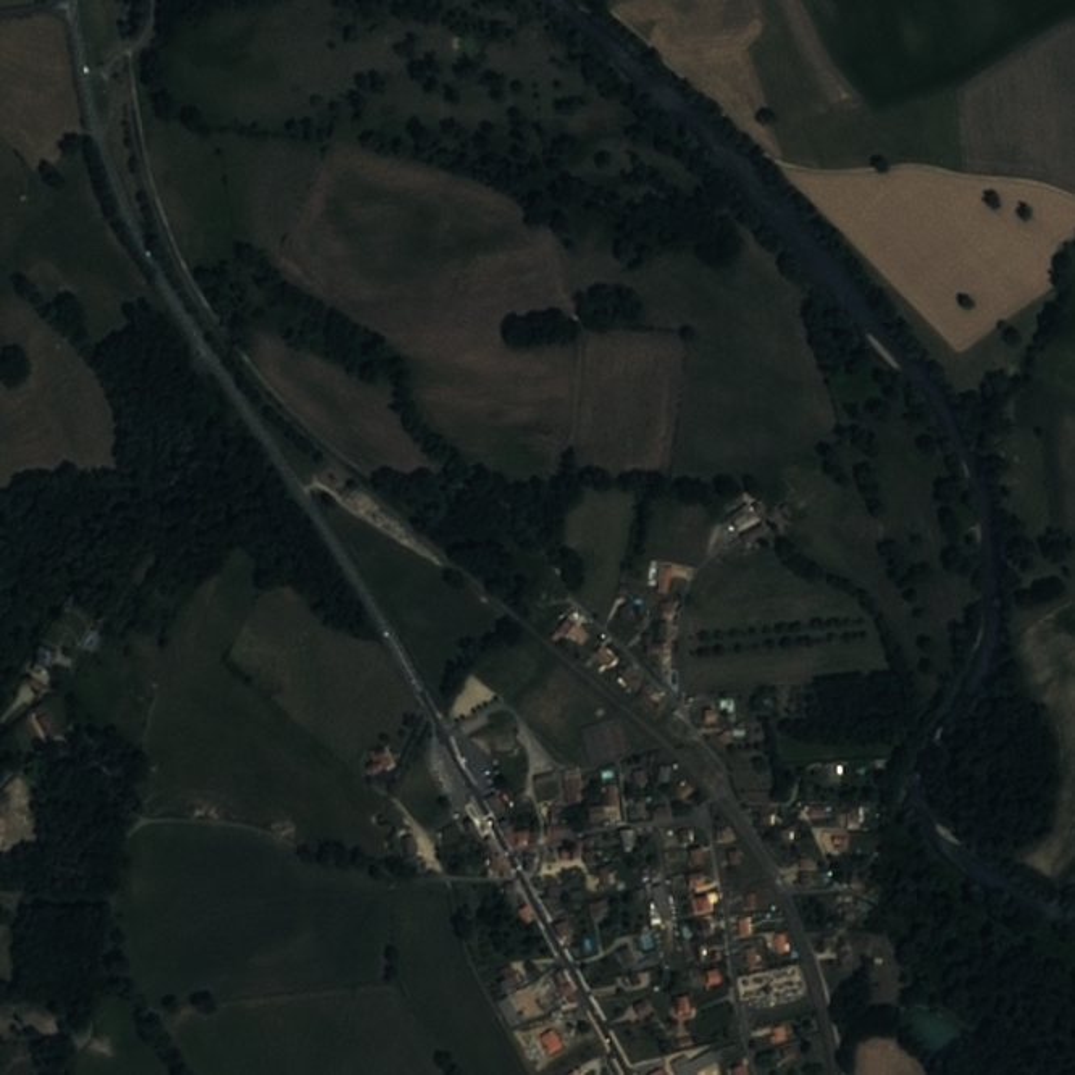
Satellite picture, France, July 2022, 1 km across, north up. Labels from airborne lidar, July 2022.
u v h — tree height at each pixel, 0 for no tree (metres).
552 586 0
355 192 0
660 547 0
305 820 0
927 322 0
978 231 0
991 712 23
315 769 0
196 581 14
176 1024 0
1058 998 19
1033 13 0
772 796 9
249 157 0
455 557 20
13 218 0
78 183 0
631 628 0
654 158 0
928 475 0
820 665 0
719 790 0
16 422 0
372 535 0
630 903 13
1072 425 0
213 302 26
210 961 0
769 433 0
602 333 10
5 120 0
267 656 0
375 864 7
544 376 0
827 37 0
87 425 0
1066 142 0
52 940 23
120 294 0
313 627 0
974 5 0
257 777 0
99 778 18
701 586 0
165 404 20
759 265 0
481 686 0
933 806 25
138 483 26
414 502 12
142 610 14
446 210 0
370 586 0
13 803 0
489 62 0
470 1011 0
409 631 0
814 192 0
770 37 0
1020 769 18
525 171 17
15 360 18
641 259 14
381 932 0
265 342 0
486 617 0
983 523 0
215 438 28
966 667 17
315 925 0
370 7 15
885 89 0
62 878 16
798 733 8
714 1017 0
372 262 0
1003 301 0
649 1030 5
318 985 0
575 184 23
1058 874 0
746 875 0
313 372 0
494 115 0
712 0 0
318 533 26
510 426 0
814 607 0
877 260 0
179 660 0
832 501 0
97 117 0
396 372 10
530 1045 0
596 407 0
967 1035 12
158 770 0
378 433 0
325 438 0
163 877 0
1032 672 0
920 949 12
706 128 0
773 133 0
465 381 0
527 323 19
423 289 0
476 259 0
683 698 0
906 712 17
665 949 0
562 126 0
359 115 12
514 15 15
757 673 0
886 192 0
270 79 0
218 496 27
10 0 0
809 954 0
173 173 0
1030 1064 24
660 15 0
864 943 0
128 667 0
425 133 33
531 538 22
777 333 0
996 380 23
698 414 0
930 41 0
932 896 11
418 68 12
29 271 0
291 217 0
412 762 0
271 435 0
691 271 0
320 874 0
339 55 0
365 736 0
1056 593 21
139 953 0
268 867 0
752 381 0
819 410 0
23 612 28
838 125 0
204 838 0
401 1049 0
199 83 0
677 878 0
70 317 17
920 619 8
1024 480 0
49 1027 0
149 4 9
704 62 0
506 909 14
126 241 17
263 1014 0
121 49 0
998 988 21
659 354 0
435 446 18
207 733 0
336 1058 0
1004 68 0
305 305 14
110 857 25
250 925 0
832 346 20
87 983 26
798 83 0
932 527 0
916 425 8
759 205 0
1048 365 0
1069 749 0
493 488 22
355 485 11
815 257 0
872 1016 14
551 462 0
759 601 0
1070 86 0
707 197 19
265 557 20
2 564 22
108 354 20
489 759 0
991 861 24
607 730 0
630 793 9
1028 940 13
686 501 18
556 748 0
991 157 0
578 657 7
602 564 0
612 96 17
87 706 0
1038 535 0
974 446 12
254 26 0
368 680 0
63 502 20
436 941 0
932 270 0
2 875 17
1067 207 0
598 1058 0
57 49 0
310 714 0
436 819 0
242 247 19
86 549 31
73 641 0
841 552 0
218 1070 0
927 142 0
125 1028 0
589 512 0
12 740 24
